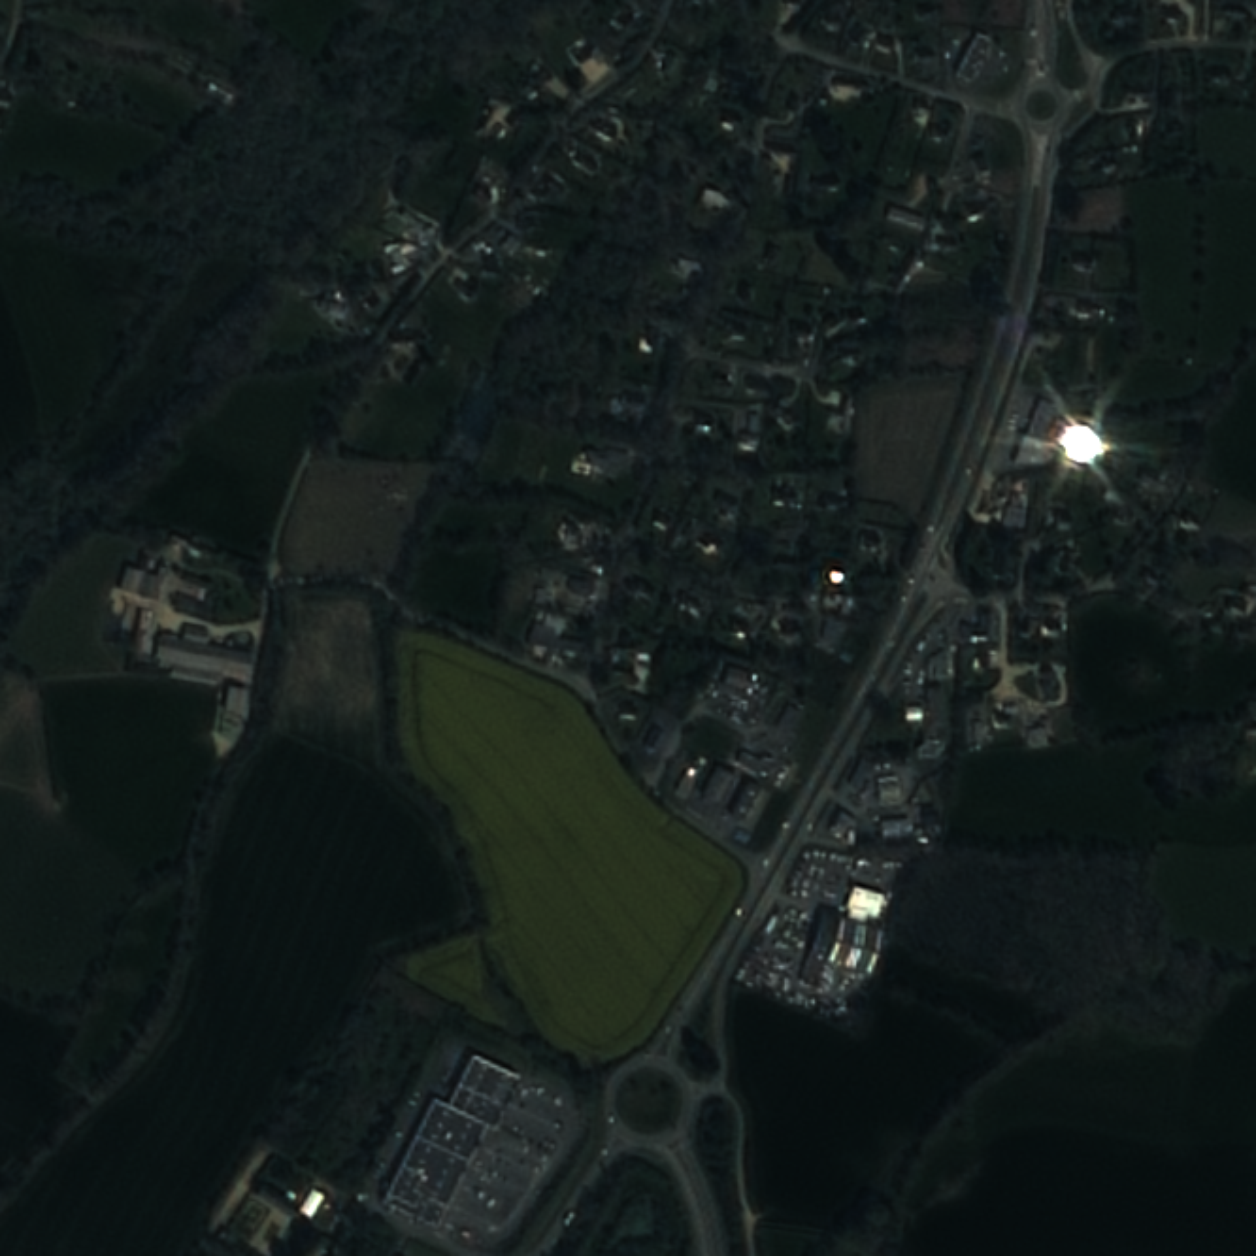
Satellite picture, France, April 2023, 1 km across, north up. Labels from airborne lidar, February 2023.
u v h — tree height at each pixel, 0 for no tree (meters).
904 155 0
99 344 0
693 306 16
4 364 0
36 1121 0
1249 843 0
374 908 0
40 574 18
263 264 7
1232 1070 0
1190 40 0
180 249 9
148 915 0
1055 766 0
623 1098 0
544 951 0
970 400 0
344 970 0
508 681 0
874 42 0
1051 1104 0
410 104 9
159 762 0
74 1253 0
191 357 11
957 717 8
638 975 0
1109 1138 0
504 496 13
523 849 0
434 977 0
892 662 0
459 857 8
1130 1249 0
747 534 12
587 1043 0
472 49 19
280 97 14
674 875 0
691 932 0
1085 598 9
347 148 13
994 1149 0
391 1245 7
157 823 0
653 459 16
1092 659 0
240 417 0
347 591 7
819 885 0
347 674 0
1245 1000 0
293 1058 0
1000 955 18
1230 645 10
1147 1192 0
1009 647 6
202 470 0
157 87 0
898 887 10
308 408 0
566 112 12
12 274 0
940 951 19
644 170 15
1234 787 12
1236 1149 0
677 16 10
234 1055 0
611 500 0
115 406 0
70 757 0
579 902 0
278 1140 13
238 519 0
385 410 0
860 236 0
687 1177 0
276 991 0
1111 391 0
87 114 17
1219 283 0
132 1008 0
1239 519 0
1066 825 0
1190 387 0
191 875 14
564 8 16
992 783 0
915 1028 0
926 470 0
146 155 0
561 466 0
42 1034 0
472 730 0
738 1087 0
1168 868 0
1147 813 0
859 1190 0
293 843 0
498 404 8
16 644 0
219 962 0
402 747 8
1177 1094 0
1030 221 0
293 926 0
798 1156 0
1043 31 0
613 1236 11
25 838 0
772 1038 0
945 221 11
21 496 10
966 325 0
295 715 0
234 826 0
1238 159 0
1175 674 0
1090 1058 0
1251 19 7
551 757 0
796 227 13
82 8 11
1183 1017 21
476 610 0
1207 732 12
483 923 9
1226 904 0
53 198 12
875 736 0
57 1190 0
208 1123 0
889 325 12
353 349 14
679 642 7
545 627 0
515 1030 0
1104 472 7
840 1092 0
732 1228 6
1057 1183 0
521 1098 0
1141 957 22
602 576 17
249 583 11
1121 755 0
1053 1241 0
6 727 0
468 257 0
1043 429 0
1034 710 0
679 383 20
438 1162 0
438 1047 0
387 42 14
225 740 0
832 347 12
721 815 0
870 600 15
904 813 0
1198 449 15
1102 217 0
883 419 0
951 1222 0
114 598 0
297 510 0
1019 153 0
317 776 0
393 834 0
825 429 0
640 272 15
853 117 0
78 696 0
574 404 12
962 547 7
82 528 16
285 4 0
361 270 7
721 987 0
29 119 0
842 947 0
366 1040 9
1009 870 11
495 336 0
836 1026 6
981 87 0
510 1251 0
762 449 7
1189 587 0
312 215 20
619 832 0
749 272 0
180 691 0
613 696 0
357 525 0
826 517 0
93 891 0
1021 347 0
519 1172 0
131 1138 0
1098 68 0
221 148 8
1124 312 15
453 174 11
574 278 15
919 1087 0
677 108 10
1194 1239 0
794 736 0
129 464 25
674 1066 0
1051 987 13
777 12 0
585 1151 0
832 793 0
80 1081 12
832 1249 19
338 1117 7
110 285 0
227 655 0
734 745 0
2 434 0
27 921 0
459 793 0
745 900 0
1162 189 0
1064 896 17
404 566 13
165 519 0
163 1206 0
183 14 0
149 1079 0
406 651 0
